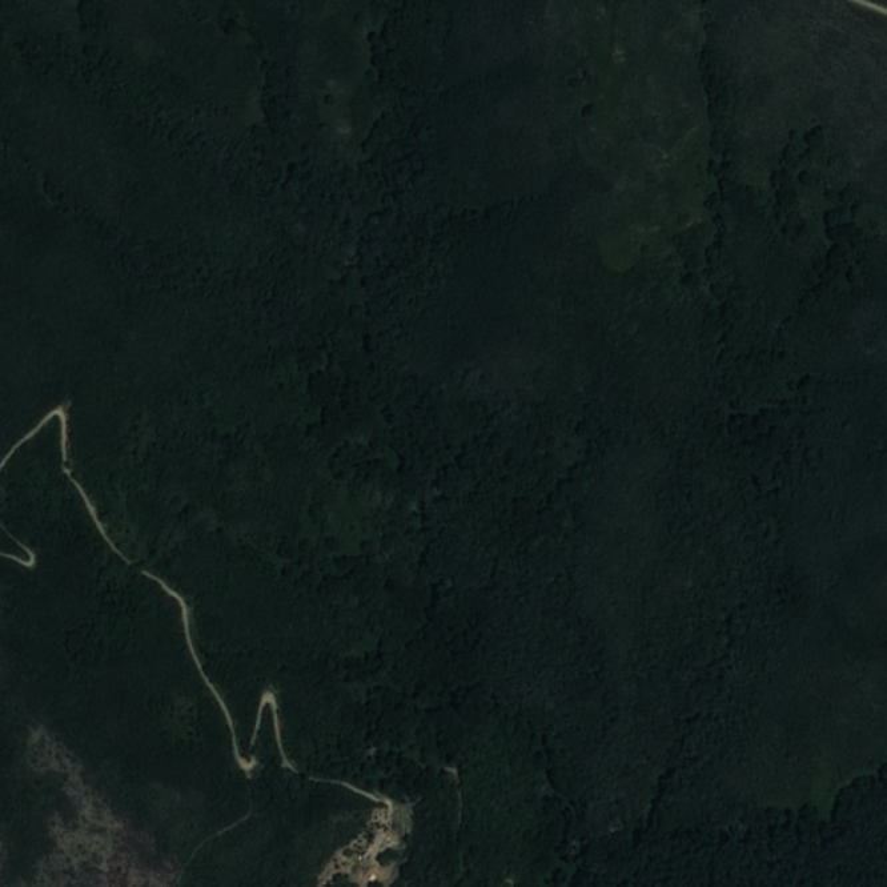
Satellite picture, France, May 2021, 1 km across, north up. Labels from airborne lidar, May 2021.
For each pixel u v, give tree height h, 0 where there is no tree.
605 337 9
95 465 7
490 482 11
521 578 10
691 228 7
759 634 13
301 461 6
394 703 16
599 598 7
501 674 18
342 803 8
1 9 9
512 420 8
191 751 6
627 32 0
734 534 25
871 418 6
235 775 6
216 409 5
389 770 11
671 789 30
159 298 9
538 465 15
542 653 16
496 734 19
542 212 6
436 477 16
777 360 6
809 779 6
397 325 12
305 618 12
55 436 7
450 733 23
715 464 16
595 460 9
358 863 0
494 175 6
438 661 30
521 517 19
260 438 14
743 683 11
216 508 6
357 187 17
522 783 22
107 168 6
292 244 6
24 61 13
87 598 11
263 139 20
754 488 24
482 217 11
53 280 6
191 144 17
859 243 14
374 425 25
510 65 6
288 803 7
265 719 6
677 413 10
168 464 10
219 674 12
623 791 18
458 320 7
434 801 10
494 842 10
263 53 7
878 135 0
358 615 12
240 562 8
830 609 6
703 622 16
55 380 7
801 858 21
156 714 8
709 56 22
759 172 0
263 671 8
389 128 26
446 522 22
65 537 7
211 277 23
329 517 15
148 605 6
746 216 8
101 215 7
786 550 10
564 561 14
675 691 19
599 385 10
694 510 10
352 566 19
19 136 6
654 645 18
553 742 24
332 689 13
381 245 21
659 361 9
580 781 21
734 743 12
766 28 0
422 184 9
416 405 15
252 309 8
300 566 17
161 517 9
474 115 6
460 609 27
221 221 8
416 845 9
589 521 9
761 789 6
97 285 5
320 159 8
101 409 7
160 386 8
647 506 6
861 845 15
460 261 6
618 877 17
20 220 8
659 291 11
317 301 18
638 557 8
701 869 26
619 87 0
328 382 23
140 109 24
